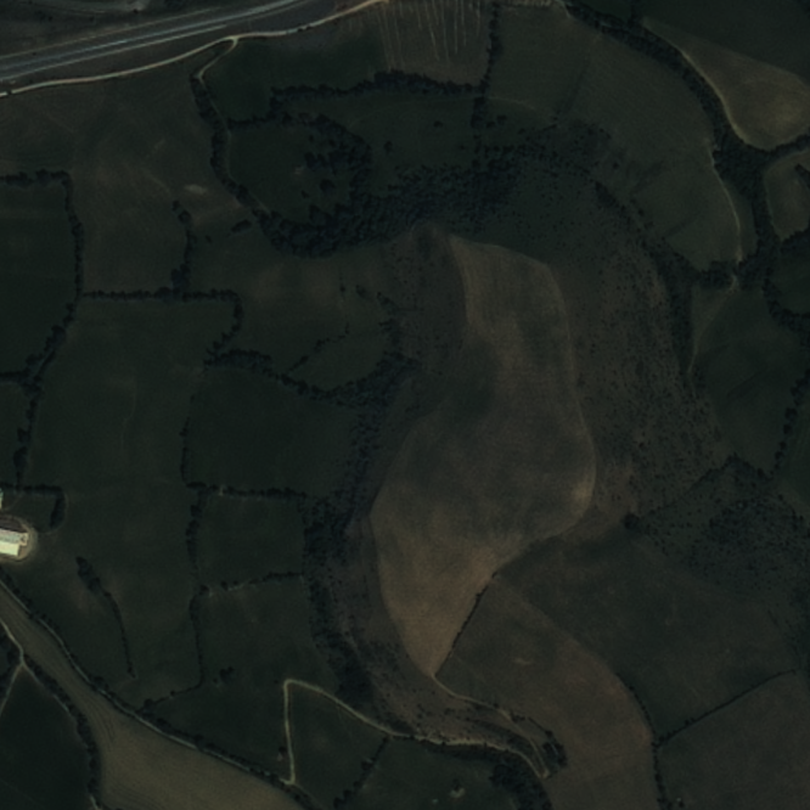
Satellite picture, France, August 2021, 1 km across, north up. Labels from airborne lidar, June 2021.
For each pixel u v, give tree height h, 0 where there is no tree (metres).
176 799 0
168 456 0
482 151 6
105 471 0
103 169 0
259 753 0
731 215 0
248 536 0
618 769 0
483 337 0
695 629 0
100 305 0
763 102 0
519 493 0
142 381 0
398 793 0
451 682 0
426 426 0
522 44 0
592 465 0
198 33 0
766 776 0
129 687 0
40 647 0
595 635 0
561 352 0
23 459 13
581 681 0
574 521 0
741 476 9
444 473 0
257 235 0
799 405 11
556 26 0
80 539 0
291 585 0
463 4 0
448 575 0
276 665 0
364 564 0
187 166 0
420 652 0
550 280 0
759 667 0
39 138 0
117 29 0
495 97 0
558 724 0
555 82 0
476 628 0
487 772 0
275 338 0
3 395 0
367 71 0
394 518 0
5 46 0
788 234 0
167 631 0
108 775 0
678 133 0
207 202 0
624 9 0
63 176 11
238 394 0
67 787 0
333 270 0
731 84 0
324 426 0
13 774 0
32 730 0
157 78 0
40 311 0
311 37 0
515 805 0
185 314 0
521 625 0
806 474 0
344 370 0
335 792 0
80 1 0
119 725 0
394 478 0
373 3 0
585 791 0
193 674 0
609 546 0
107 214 0
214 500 0
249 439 0
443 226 0
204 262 0
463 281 0
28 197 0
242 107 0
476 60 0
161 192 0
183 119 0
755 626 0
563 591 0
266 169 0
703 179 0
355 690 7
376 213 14
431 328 0
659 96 0
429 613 0
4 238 0
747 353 0
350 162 7
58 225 0
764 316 0
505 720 0
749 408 0
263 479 0
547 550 0
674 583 0
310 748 0
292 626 0
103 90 0
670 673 0
